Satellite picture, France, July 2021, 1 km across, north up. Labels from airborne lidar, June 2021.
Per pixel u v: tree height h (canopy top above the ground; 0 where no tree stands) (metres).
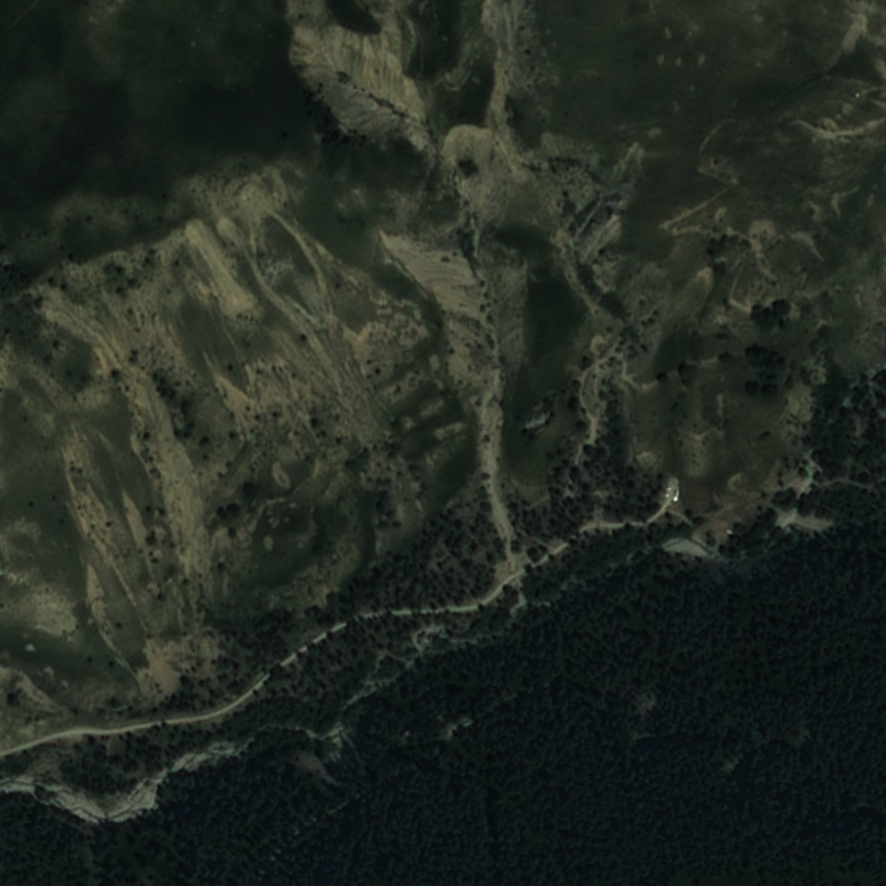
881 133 0
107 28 0
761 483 0
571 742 29
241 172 0
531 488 0
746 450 0
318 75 0
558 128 0
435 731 11
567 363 0
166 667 0
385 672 6
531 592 8
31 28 0
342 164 0
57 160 0
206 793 16
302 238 0
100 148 0
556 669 23
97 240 0
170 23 0
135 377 0
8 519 0
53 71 0
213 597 0
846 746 20
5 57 0
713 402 0
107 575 0
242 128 0
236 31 0
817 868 17
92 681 0
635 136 0
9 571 0
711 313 0
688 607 9
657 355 0
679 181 0
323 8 0
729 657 14
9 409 0
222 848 19
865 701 19
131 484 0
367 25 0
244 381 0
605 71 0
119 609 0
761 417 0
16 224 0
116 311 0
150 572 0
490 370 0
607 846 19
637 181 0
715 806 24
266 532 0
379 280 0
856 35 0
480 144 0
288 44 0
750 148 0
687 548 0
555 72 0
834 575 27
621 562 7
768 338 0
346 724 8
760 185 0
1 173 0
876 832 17
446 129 0
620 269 0
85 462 0
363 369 0
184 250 0
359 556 0
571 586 7
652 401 0
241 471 0
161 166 0
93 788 10
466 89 0
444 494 0
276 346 0
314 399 0
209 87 0
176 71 0
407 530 0
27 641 0
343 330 0
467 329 0
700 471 0
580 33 0
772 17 0
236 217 0
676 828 24
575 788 23
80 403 0
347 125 0
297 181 0
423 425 0
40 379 0
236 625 9
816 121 0
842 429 7
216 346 0
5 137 0
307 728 10
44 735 0
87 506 0
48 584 0
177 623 0
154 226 0
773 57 0
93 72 0
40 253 0
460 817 26
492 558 16
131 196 0
